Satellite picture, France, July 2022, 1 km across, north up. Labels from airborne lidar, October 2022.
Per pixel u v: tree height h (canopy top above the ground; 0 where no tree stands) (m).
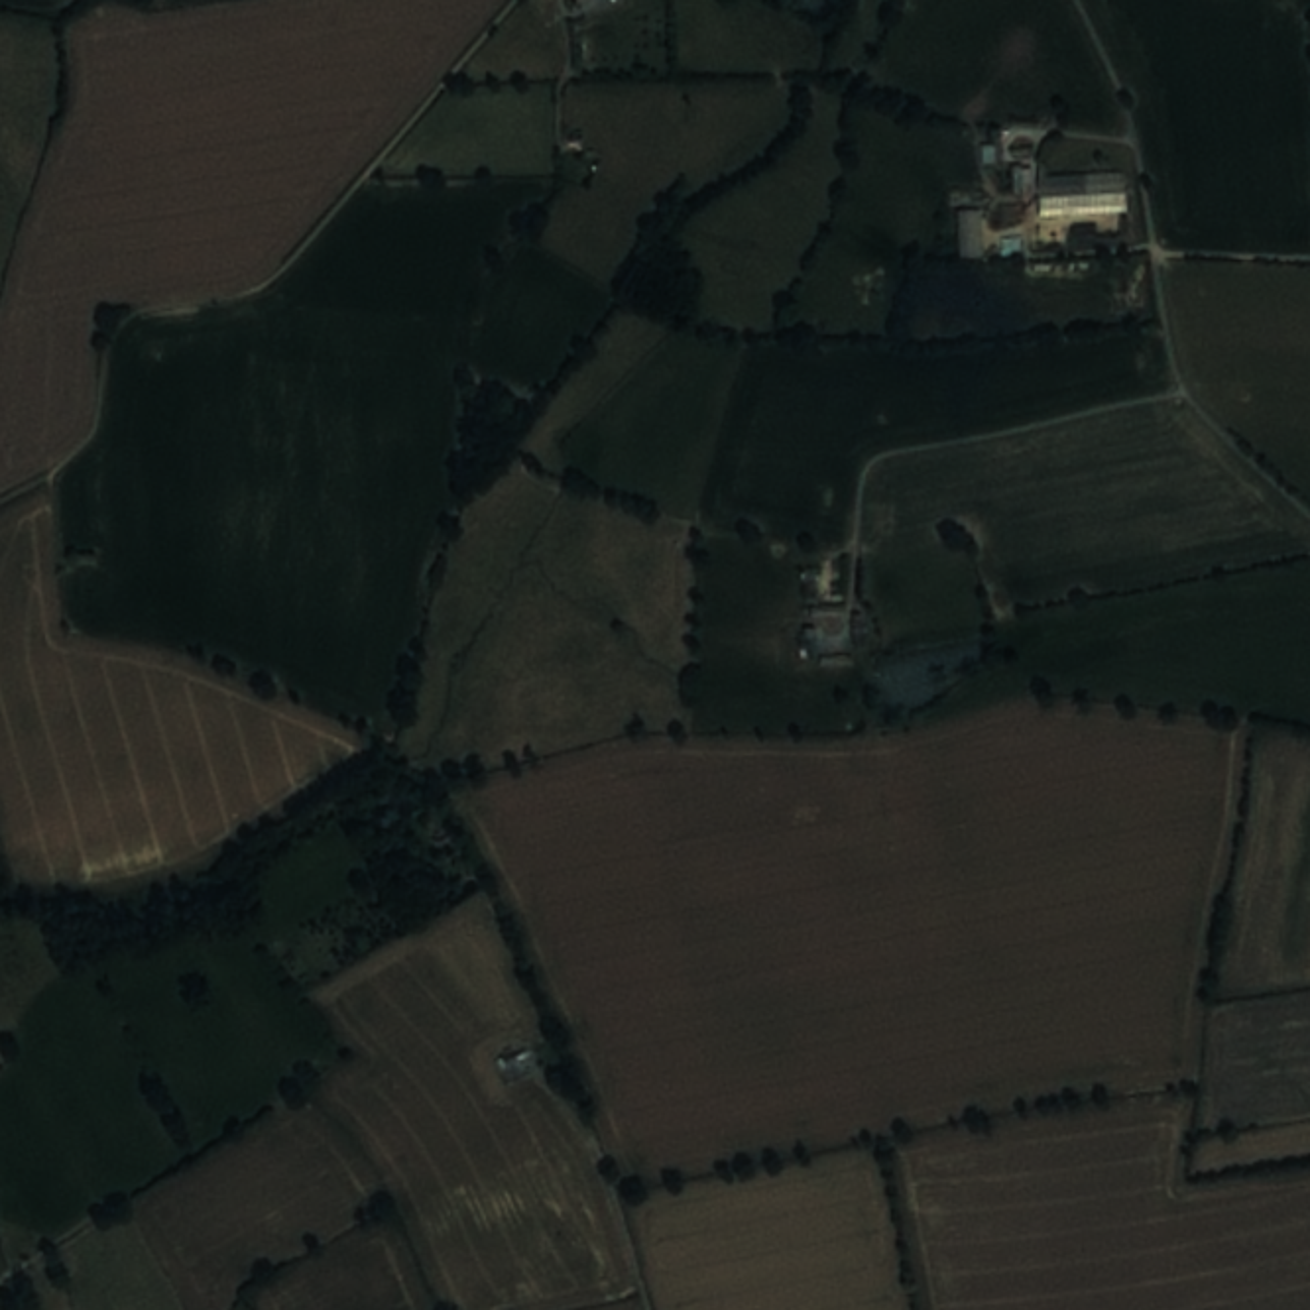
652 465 0
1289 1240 0
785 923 0
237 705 0
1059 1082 0
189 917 30
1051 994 0
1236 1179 9
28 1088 0
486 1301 0
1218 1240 0
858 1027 0
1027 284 0
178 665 0
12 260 0
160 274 0
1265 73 0
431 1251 0
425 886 23
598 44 0
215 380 0
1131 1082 0
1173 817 0
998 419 0
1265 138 0
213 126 0
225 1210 0
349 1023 0
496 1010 0
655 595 0
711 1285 0
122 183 0
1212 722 14
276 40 0
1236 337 0
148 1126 0
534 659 0
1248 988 0
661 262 15
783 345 12
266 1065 0
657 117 0
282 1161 0
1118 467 0
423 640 6
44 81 0
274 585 0
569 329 0
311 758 0
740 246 0
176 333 0
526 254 0
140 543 0
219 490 0
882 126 0
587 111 0
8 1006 0
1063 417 0
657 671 0
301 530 0
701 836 0
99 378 0
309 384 0
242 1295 7
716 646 0
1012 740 0
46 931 28
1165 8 0
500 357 0
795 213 0
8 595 0
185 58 0
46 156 0
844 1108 0
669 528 0
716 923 0
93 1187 0
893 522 0
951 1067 0
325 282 0
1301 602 0
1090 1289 0
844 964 0
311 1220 0
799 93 17
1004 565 0
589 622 0
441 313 0
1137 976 0
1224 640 0
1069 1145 0
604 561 0
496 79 13
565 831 0
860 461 0
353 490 0
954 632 0
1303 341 0
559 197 6
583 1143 0
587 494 14
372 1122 0
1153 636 0
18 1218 0
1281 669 0
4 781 0
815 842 0
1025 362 0
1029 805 0
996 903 0
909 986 0
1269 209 0
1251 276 0
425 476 0
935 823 0
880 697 14
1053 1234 0
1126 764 0
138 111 0
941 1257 0
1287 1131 0
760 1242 0
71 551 10
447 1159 0
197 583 0
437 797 20
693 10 0
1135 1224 0
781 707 0
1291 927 0
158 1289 0
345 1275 0
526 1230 0
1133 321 12
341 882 0
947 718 0
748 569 0
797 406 0
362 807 17
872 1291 0
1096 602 6
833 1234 0
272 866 11
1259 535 0
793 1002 0
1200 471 0
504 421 24
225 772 0
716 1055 0
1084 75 0
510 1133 0
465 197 0
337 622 0
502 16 0
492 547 0
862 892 0
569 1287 0
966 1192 0
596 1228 0
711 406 0
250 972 0
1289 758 0
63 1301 0
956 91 0
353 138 0
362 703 0
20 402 0
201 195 0
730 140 0
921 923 0
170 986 0
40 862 0
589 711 0
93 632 0
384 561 0
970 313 0
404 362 0
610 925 0
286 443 0
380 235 0
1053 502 0
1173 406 0
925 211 0
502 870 0
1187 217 0
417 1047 0
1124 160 0
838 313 0
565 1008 0
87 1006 0
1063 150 0
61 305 0
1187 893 0
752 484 0
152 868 0
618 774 0
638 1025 0
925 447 0
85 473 0
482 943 0
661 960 0
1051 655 0
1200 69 0
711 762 0
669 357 0
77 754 0
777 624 0
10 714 0
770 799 0
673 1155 0
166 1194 0
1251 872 0
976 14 0
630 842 0
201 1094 0
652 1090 0
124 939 34
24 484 0
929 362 0
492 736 0
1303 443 0
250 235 0
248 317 0
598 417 0
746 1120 0
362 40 0
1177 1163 0
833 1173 0
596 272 0
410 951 0
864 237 0
